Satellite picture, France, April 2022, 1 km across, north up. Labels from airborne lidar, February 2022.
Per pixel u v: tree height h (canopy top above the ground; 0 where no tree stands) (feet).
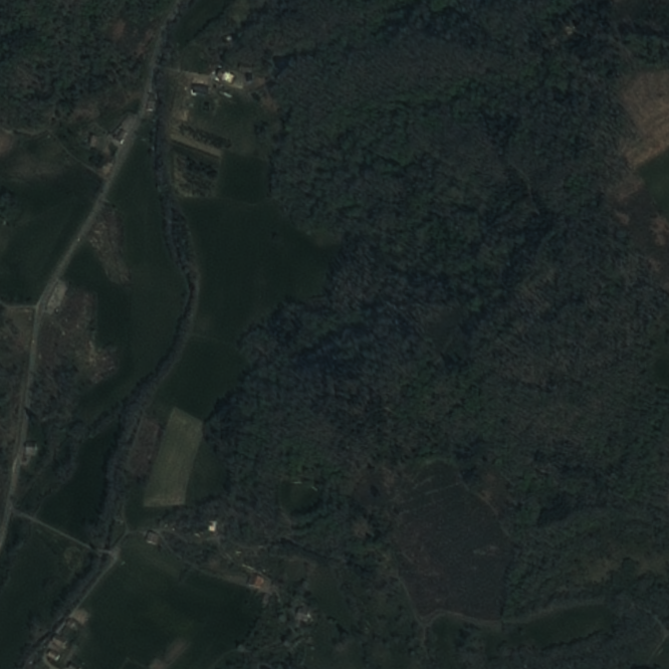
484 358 51
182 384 0
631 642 75
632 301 77
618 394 73
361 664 0
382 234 78
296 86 72
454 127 65
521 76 52
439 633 0
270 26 78
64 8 48
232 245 0
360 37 78
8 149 0
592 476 83
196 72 0
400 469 75
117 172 0
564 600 46
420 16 52
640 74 0
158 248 0
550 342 75
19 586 0
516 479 63
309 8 74
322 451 67
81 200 0
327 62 45
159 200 0
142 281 0
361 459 76
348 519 52
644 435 98
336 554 45
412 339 81
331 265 0
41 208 0
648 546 0
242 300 0
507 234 51
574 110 65
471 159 51
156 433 0
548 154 66
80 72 87
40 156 0
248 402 60
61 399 58
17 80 89
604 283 75
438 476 0
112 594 0
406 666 0
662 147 0
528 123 67
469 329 0
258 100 0
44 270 0
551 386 40
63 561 0
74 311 0
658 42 84
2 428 52
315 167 58
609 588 19
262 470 71
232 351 0
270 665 41
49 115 75
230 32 24
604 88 75
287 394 67
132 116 0
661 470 73
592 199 80
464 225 83
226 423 46
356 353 63
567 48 45
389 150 113
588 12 66
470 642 91
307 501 0
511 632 27
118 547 0
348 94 64
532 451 81
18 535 0
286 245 0
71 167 0
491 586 0
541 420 71
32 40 84
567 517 54
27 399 0
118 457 76
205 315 0
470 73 84
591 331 79
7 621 0
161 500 0
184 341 62
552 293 82
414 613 0
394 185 58
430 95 72
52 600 0
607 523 55
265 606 20
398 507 0
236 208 0
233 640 0
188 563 48
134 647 0
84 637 0
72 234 0
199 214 0
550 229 29
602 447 67
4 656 0
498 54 59
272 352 89
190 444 0
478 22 62
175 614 0
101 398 0
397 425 67
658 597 65
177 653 0
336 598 0
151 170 0
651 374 78
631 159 0
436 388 64
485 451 111
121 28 0
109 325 0
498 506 0
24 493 0
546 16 49
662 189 0
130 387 0
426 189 82
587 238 76
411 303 85
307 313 47
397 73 70
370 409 44
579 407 86
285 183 76
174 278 0
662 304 66
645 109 0
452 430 73
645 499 70
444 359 0
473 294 85
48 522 0
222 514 63
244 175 0
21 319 0
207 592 0
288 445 54
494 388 75
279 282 0
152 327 0
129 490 31
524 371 73
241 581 0
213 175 31
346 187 92
